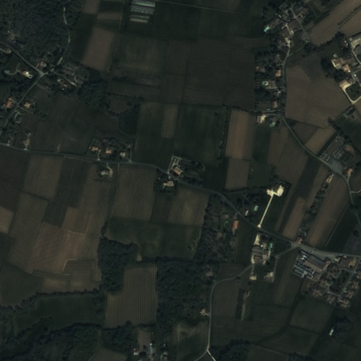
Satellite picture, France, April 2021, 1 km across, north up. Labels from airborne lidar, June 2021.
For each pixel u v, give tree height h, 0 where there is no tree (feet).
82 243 0
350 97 0
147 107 0
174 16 0
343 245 0
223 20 0
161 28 0
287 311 0
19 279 0
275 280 0
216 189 0
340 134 29
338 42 24
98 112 0
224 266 0
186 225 0
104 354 0
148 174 0
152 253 0
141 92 0
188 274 59
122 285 35
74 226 0
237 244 0
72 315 0
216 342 0
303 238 19
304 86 0
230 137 0
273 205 0
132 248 52
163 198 0
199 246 31
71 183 0
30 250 0
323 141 0
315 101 0
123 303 0
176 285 61
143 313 0
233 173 0
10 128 26
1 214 0
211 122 0
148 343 0
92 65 0
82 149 0
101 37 0
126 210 0
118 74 0
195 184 56
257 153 0
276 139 0
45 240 0
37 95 0
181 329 0
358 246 0
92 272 0
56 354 0
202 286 58
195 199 0
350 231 0
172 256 0
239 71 0
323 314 0
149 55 0
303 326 0
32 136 0
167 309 55
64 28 66
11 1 27
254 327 0
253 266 0
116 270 59
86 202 0
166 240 0
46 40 56
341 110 0
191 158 0
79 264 0
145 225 0
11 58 28
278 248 0
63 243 0
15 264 0
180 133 0
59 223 0
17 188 0
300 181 0
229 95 0
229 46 0
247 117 0
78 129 0
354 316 0
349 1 0
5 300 0
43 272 0
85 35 0
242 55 0
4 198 0
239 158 0
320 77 0
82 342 52
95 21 0
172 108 0
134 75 0
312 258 0
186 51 0
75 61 31
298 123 0
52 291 0
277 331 0
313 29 0
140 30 0
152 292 0
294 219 0
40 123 0
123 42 0
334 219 0
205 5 0
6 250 0
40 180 0
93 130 0
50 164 0
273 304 0
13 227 0
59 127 0
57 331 23
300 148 0
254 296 0
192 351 0
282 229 0
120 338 61
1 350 60
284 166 0
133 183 0
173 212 0
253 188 25
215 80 0
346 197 0
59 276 0
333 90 0
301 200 0
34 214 0
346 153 0
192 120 0
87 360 0
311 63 0
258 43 0
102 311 51
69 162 0
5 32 35
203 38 0
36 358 34
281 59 0
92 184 0
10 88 24
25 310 33
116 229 0
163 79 0
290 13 24
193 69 0
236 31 0
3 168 0
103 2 0
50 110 0
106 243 52
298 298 0
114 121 0
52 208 0
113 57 0
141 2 0
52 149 0
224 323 0
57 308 0
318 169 0
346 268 0
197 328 0
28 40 40
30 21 67
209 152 0
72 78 30
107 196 0
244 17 0
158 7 0
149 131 0
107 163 0
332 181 0
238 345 65
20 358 52
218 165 0
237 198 0
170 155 0
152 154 0
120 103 0
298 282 0
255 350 0
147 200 0
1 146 0
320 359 0
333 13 0
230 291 0
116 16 0
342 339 67
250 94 0
